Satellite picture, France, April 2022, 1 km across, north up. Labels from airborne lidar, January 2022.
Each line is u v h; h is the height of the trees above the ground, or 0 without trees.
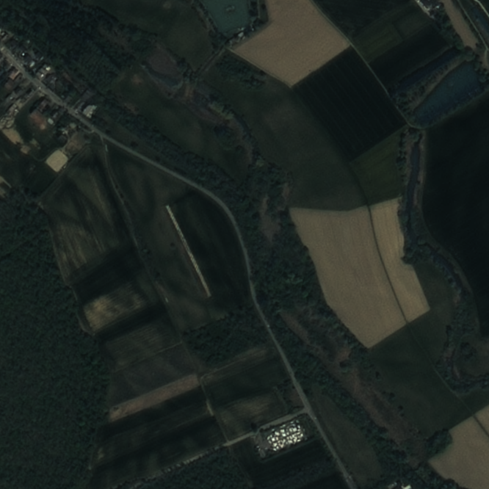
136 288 0
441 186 0
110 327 0
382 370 0
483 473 0
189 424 0
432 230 0
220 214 0
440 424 0
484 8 0
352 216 0
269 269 19
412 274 0
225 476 13
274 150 0
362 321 0
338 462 0
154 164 0
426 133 0
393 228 0
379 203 0
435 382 0
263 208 0
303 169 0
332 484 0
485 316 0
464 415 0
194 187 0
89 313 0
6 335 18
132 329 0
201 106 0
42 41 26
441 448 18
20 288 19
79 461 13
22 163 0
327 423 0
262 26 12
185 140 0
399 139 0
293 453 0
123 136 0
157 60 0
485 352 0
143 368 0
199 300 0
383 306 0
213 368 0
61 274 12
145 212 0
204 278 0
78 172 0
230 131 18
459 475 0
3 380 19
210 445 0
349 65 0
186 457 0
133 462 0
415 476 20
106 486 0
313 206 0
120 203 0
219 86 0
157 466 0
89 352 13
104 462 0
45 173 0
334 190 0
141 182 0
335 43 0
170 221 0
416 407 0
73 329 15
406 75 0
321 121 0
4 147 0
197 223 0
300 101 0
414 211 6
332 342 0
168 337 0
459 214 0
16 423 18
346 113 0
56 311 18
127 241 0
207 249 0
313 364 19
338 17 0
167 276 0
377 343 0
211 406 0
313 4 0
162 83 0
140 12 0
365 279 0
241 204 18
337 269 0
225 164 0
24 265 14
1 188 0
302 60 0
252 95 0
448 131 0
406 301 0
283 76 0
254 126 0
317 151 0
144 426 0
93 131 0
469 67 0
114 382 0
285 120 0
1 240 19
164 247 0
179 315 0
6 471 13
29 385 19
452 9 0
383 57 0
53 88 0
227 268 0
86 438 15
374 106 0
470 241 0
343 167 0
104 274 0
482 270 0
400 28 0
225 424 0
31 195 19
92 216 0
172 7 0
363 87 0
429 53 0
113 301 0
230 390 0
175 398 0
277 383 0
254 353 0
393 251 0
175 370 0
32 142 0
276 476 0
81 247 0
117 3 0
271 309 21
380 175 0
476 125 0
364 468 0
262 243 25
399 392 0
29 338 17
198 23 0
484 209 0
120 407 0
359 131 0
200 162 10
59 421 20
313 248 0
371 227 0
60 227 0
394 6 0
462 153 0
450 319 0
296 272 16
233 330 6
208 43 0
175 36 0
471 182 0
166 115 0
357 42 0
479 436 0
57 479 19
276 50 0
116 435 0
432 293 0
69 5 34
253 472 0
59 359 17
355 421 8
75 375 18
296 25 0
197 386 0
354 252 0
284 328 13
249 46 0
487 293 0
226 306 0
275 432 0
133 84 0
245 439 0
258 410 0
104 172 0
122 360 0
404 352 0
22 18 28
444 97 0
